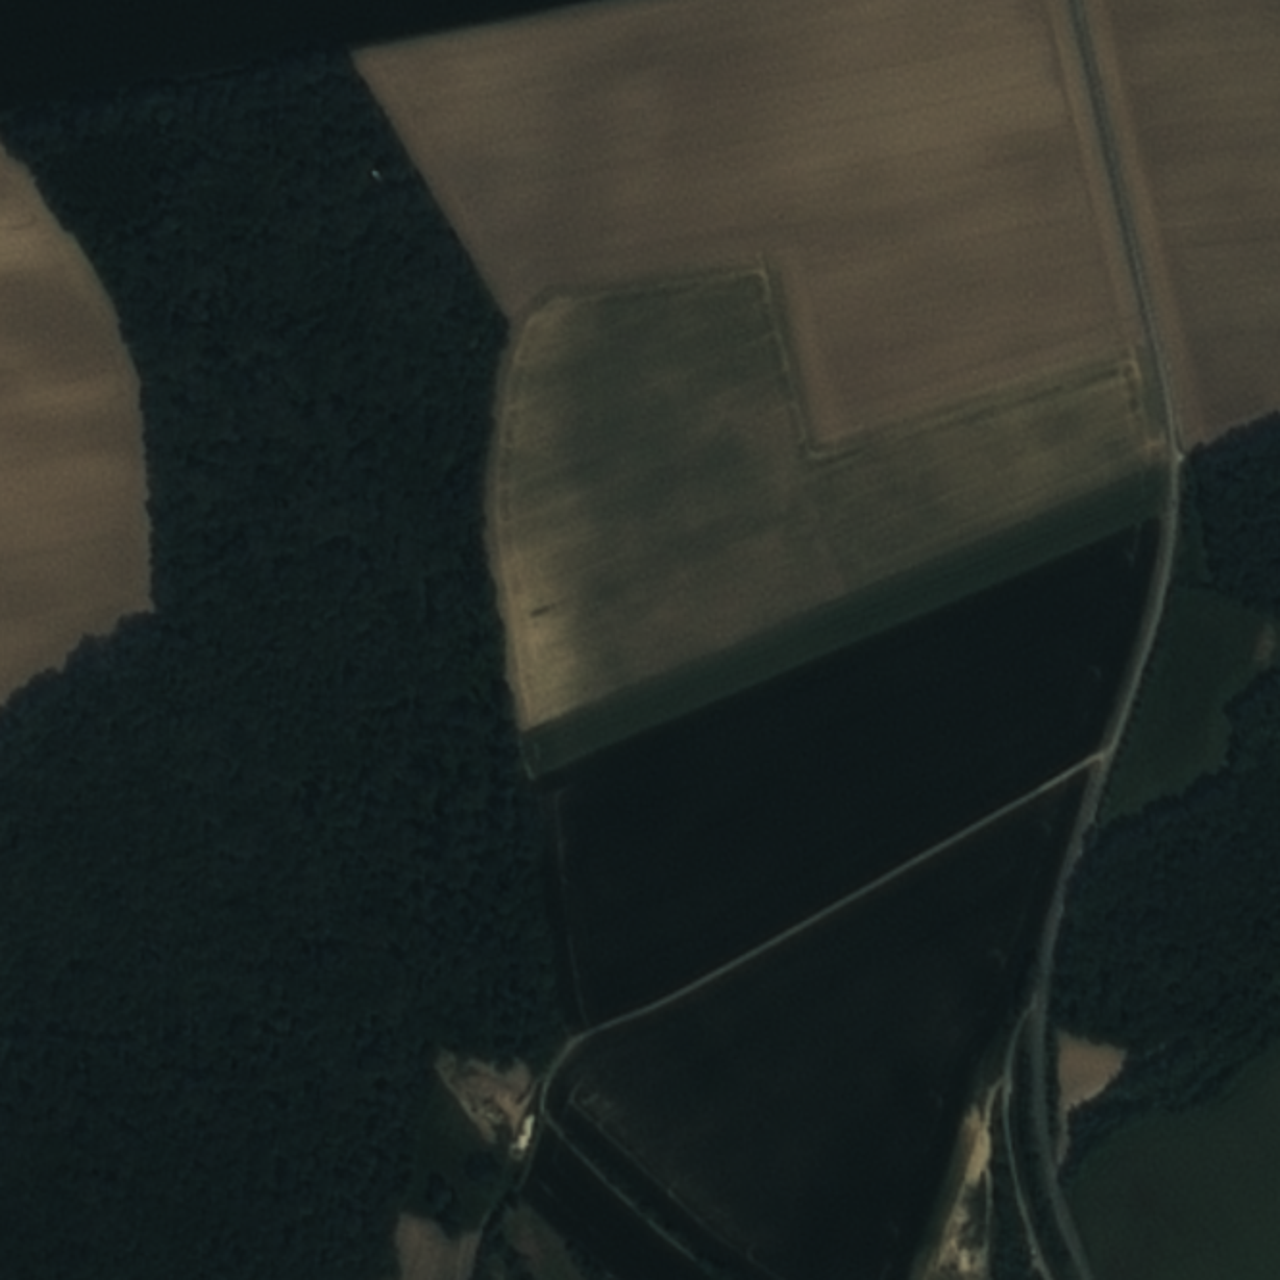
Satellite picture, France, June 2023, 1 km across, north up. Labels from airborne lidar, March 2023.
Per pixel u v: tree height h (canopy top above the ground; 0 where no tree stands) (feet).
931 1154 0
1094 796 0
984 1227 0
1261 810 63
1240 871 84
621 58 0
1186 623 0
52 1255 82
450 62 0
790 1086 0
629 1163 0
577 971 0
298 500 80
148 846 78
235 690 72
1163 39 0
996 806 0
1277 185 0
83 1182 90
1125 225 0
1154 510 0
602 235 0
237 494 78
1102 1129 45
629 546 0
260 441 85
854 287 0
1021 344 0
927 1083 0
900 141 0
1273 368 0
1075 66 0
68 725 66
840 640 0
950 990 0
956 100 0
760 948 0
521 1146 0
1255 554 60
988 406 0
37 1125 81
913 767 0
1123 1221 0
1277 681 51
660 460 0
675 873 0
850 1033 0
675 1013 0
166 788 79
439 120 0
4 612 0
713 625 0
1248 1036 38
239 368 88
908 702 0
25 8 0
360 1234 80
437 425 82
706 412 0
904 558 0
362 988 81
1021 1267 35
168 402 59
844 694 0
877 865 0
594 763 0
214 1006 79
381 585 88
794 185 0
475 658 20
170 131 47
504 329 28
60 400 0
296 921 61
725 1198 0
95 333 0
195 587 69
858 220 0
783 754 0
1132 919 65
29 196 0
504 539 0
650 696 0
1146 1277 0
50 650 0
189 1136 75
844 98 0
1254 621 0
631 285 0
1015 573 0
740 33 0
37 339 0
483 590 62
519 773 43
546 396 0
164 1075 55
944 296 0
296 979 76
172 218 57
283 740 83
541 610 0
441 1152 0
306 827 76
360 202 72
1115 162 0
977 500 0
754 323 0
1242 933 92
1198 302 0
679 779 0
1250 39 0
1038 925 0
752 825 0
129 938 76
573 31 0
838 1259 0
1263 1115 0
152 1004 77
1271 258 0
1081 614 0
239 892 79
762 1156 0
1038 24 0
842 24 0
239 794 67
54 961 70
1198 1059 49
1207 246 0
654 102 0
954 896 0
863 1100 0
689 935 0
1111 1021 74
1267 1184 0
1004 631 0
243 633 71
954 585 0
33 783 65
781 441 0
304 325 50
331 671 70
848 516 0
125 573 0
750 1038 0
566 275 0
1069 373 0
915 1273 0
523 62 0
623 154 0
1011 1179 28
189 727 69
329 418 88
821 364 0
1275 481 47
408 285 70
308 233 55
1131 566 0
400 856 74
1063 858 0
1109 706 0
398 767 79
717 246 0
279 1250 83
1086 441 0
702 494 0
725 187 0
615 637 0
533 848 48
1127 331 0
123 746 69
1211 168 0
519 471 0
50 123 65
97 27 0
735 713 0
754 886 0
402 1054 81
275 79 60
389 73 0
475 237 0
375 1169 67
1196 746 0
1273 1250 0
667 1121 0
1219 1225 0
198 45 0
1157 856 41
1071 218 0
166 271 64
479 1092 0
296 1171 57
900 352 0
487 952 79
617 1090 0
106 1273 72
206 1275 80
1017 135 0
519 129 0
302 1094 82
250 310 65
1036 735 0
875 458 0
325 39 0
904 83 0
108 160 31
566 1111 0
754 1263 0
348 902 79
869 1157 0
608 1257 0
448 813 86
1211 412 0
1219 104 0
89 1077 81
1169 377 0
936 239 0
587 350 0
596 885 0
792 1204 0
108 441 0
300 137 59
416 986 75
